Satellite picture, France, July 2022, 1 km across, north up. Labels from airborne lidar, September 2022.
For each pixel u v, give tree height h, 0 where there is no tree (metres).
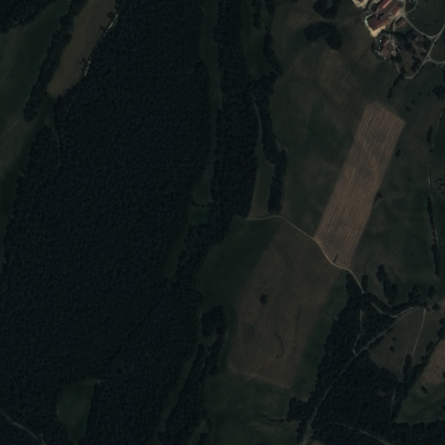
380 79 0
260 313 0
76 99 16
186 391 18
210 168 0
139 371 15
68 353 15
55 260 15
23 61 0
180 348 14
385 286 11
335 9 15
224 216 23
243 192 20
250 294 0
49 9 0
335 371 16
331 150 0
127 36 14
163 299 20
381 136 0
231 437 0
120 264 14
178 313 15
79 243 15
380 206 0
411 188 0
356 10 0
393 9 0
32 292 21
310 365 0
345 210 0
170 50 13
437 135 0
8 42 0
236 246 0
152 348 12
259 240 0
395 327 0
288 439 0
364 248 0
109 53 22
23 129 0
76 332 18
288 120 0
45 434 15
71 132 16
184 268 18
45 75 14
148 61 12
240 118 18
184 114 13
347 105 0
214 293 0
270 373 0
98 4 0
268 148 15
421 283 0
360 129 0
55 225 27
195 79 18
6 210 0
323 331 0
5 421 20
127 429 15
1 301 14
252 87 29
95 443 22
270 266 0
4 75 0
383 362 0
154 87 13
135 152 15
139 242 20
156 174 12
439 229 0
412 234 0
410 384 15
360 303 20
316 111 0
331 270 0
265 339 0
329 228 0
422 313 0
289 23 0
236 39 15
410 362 15
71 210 14
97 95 13
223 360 0
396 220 0
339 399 19
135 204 21
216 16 0
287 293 0
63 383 18
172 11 15
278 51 0
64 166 11
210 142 23
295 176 0
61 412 0
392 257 0
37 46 0
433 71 0
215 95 0
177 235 19
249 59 0
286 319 0
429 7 0
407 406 0
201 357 11
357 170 0
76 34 0
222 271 0
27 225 11
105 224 17
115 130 16
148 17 18
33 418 8
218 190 12
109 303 15
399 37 15
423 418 0
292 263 0
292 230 0
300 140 0
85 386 0
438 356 0
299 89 0
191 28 18
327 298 0
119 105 12
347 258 0
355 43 0
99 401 23
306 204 0
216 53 0
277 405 0
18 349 19
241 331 0
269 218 0
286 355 0
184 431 20
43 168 17
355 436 13
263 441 0
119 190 21
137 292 14
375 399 16
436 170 0
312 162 0
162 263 15
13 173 0
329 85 0
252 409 0
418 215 0
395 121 0
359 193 0
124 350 17
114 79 11
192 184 20
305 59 0
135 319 16
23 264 16
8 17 9
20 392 18
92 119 13
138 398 14
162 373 14
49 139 19
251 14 0
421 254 0
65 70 0
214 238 15
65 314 11
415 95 0
